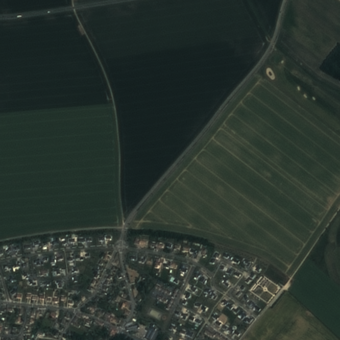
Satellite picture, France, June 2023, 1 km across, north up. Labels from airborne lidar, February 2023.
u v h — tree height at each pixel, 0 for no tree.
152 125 0
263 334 0
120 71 0
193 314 0
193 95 0
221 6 0
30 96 0
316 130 0
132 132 0
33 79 0
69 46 0
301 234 0
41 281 0
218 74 0
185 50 0
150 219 0
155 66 0
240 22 0
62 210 0
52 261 0
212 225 0
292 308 0
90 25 0
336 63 15
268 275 0
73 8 0
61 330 0
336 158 0
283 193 0
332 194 0
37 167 0
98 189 0
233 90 0
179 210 0
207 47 0
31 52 0
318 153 0
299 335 0
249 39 0
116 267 6
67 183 0
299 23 0
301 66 0
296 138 0
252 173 0
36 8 0
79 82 0
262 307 0
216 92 0
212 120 0
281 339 0
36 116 0
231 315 0
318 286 0
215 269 0
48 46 0
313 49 0
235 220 0
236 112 0
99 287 0
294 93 0
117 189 0
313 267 0
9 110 0
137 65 0
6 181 0
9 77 0
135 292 0
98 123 0
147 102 0
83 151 0
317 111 0
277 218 0
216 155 0
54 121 0
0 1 0
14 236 0
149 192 0
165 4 0
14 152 0
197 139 0
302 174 0
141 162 0
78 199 0
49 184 0
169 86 0
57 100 0
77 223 0
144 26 0
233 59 0
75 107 0
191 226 0
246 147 0
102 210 0
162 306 0
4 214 0
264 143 0
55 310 0
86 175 0
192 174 0
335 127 0
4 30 0
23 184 0
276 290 0
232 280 0
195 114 0
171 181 0
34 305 0
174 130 0
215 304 0
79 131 0
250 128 0
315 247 0
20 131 0
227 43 0
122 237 0
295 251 0
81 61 0
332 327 0
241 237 0
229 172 0
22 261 0
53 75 0
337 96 0
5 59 0
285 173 0
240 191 0
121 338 17
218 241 0
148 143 0
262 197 0
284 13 0
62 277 0
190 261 0
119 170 0
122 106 0
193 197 0
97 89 0
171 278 0
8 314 6
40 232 0
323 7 0
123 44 0
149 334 0
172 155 0
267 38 0
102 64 0
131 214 0
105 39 0
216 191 0
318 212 0
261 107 0
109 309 9
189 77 0
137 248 0
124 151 0
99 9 0
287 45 0
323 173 0
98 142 0
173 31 0
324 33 0
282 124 0
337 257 0
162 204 0
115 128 0
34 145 0
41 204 0
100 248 0
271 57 0
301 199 0
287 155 0
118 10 0
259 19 0
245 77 0
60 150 0
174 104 0
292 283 0
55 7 0
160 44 0
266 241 0
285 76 0
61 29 0
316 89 0
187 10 0
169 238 7
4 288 0
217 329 0
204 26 0
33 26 0
